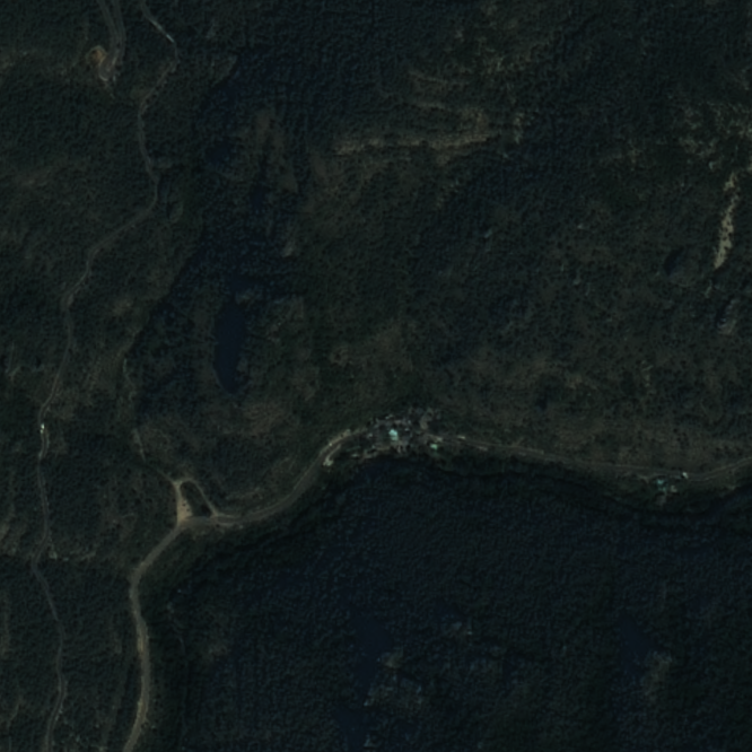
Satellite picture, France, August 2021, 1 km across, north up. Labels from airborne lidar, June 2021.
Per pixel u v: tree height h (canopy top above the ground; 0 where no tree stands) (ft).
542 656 43
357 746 42
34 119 36
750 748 39
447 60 35
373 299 31
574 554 67
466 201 32
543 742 24
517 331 26
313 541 32
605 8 25
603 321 26
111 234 29
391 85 28
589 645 50
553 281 39
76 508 34
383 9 40
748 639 54
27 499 35
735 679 44
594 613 44
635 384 27
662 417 25
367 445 45
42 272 43
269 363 24
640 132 20
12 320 44
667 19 25
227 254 45
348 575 51
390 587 52
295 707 29
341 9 33
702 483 27
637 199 20
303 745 41
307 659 29
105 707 29
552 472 44
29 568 59
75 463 37
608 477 19
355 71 26
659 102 23
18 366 35
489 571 50
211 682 26
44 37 20
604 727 44
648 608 30
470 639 33
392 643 51
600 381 37
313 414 28
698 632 31
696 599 51
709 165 27
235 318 29
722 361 30
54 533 38
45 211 37
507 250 32
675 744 40
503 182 23
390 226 40
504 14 21
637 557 58
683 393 33
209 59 20
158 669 39
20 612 39
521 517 56
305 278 42
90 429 29
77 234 27
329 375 40
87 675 45
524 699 37
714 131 30
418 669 23
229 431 25
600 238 28
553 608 54
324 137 34
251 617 32
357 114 42
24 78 32
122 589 26
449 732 43
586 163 32
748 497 67
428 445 19
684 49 21
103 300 24
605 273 28
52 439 23
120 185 27
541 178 46
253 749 29
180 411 22
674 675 66
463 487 60
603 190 27
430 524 55
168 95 31
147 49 31
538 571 68
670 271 56
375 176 20
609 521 43
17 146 37
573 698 45
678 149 24
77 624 41
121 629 27
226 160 30
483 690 33
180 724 23
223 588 27
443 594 43
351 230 18
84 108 36
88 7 29
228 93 31
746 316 39
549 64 43
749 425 28
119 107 27
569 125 39
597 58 30
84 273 20
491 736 26
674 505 47
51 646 29
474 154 33
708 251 50
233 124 30
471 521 61
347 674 29
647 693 25
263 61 52
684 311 21
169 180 77
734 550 49
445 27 29
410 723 30
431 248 49
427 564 57
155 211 43
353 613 53
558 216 46
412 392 27
